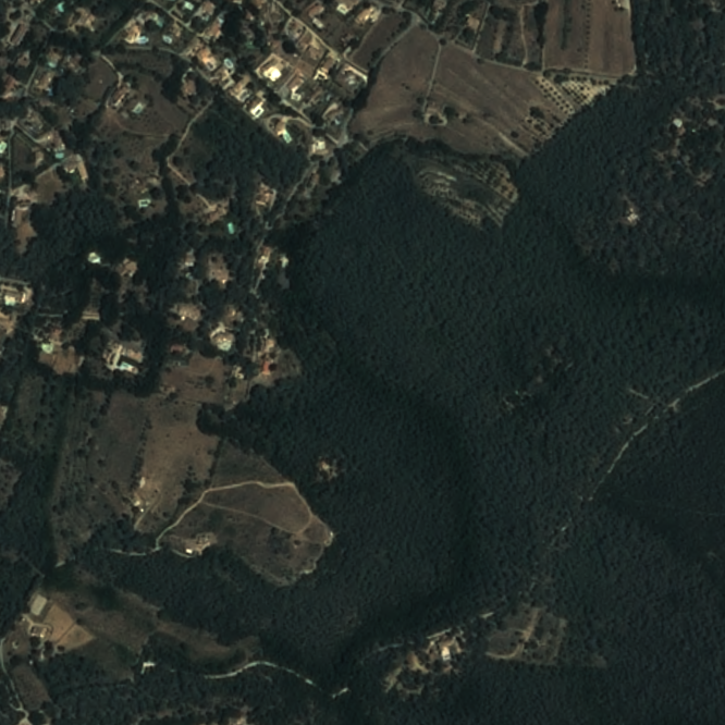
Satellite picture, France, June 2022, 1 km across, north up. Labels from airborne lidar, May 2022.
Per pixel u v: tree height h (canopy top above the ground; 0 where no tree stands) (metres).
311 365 12
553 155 11
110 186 13
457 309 13
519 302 20
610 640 15
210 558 8
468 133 0
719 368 13
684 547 6
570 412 19
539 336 22
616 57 0
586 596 16
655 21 18
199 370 0
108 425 0
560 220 8
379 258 12
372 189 9
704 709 11
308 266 9
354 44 18
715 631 12
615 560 14
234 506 0
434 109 0
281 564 0
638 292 9
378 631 15
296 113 9
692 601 12
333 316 16
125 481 0
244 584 11
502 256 13
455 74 0
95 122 18
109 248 16
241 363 20
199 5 9
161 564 19
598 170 15
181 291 24
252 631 9
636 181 20
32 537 17
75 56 18
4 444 10
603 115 15
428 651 14
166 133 0
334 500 17
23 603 17
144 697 18
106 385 12
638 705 14
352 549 14
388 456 17
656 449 12
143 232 16
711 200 18
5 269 21
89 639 0
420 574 16
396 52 0
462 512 13
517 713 17
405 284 16
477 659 19
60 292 17
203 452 0
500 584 18
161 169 7
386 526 15
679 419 12
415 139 10
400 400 16
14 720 15
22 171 8
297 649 9
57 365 0
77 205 11
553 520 11
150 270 13
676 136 9
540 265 14
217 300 19
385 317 17
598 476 16
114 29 8
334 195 18
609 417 16
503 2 0
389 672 14
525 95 0
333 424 18
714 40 18
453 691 21
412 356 15
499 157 7
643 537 21
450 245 14
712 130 11
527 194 13
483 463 12
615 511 7
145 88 0
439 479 20
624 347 18
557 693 19
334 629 17
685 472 7
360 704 8
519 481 18
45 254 23
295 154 16
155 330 16
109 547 21
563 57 0
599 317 13
